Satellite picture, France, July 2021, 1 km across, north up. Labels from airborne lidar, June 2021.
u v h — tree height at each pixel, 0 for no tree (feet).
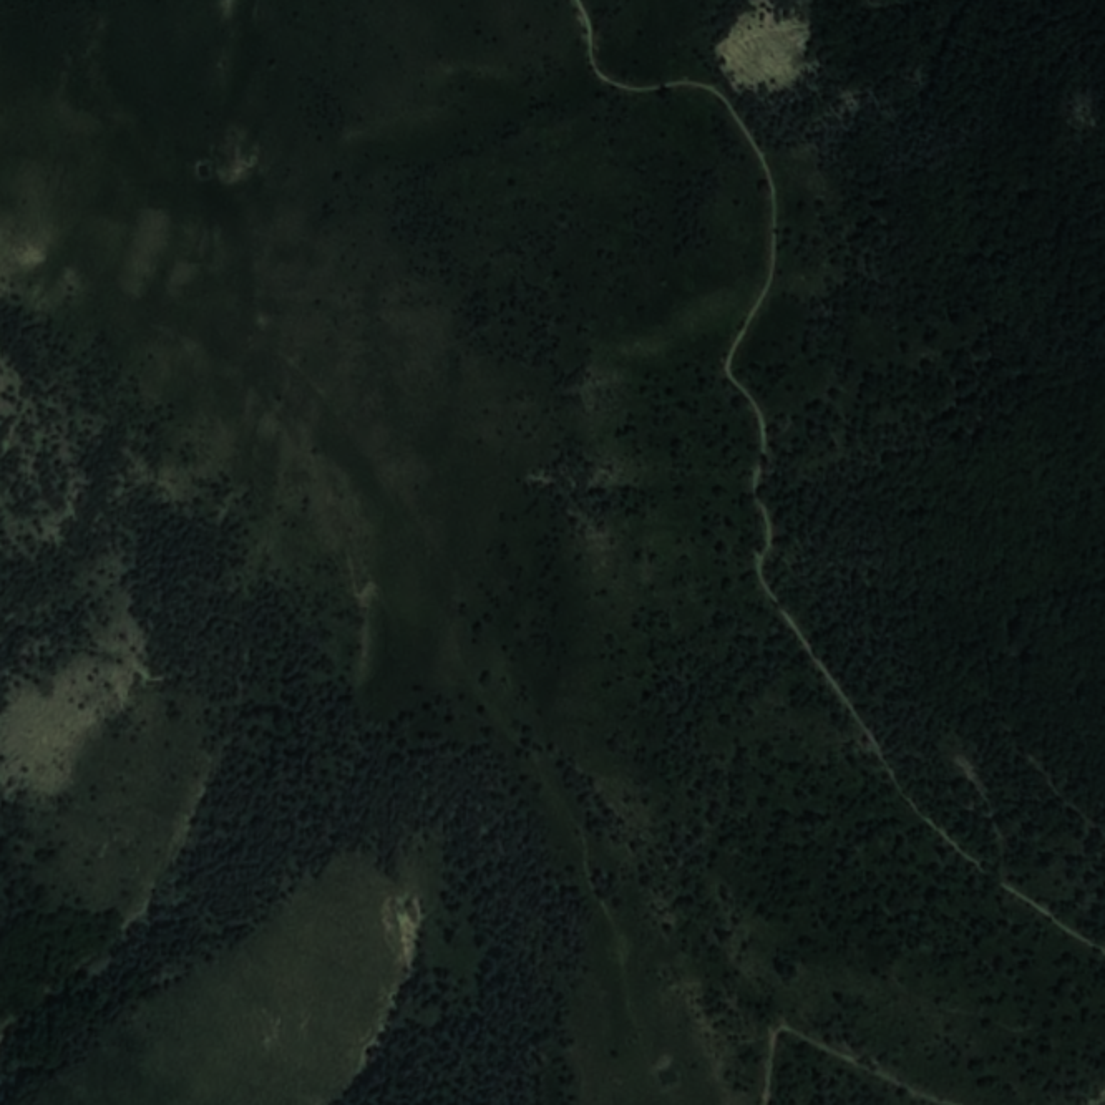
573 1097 27
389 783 59
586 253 0
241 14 0
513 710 0
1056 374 59
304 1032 0
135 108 0
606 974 0
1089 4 73
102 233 0
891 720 45
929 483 59
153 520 30
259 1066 0
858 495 41
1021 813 47
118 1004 39
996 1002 42
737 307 0
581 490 22
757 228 0
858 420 48
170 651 28
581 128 0
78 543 27
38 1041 50
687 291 0
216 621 34
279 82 0
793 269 0
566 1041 48
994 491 64
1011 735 43
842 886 24
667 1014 0
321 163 0
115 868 0
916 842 48
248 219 0
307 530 0
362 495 0
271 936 0
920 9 60
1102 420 69
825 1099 62
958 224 71
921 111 32
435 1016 0
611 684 26
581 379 27
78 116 0
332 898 0
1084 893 54
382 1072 43
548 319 22
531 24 22
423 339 0
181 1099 0
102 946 35
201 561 24
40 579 18
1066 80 77
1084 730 71
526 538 0
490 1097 55
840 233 39
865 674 67
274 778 48
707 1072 0
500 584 0
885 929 28
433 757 35
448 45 0
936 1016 0
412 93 0
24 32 0
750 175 0
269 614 29
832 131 27
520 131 21
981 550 70
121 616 0
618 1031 0
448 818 22
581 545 0
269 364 0
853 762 63
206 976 0
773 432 43
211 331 0
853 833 28
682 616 0
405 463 0
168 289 0
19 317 21
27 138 0
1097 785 51
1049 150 53
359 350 0
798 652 25
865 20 75
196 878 41
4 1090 29
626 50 0
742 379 33
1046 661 73
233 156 0
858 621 51
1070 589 67
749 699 39
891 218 37
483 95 0
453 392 0
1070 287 65
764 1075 0
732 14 29
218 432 0
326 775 33
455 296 0
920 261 58
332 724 43
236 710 21
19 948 51
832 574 31
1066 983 44
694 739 32
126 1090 0
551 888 36
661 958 0
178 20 0
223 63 0
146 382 0
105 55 0
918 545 49
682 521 0
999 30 98
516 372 0
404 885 0
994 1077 36
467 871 45
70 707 0
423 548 0
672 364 0
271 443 0
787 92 26
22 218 0
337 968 0
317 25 0
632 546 0
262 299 0
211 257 0
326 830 47
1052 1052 54
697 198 22
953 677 68
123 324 0
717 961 27
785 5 29
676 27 0
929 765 23
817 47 35
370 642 0
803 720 0
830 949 21
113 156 0
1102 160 63
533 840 50
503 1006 48
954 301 35
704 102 0
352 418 0
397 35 0
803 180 0
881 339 0
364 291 0
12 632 23
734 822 22
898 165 47
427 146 0
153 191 0
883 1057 26
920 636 63
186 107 0
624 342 0
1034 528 66
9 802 35
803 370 0
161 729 0
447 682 0
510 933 43
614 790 0
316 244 0
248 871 31
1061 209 63
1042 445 66
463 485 0
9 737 0
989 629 77
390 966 0
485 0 0
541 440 0
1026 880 37
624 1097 0
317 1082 0
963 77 67
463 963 0
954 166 62
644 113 0
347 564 0
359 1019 0
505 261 0
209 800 29
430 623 0
